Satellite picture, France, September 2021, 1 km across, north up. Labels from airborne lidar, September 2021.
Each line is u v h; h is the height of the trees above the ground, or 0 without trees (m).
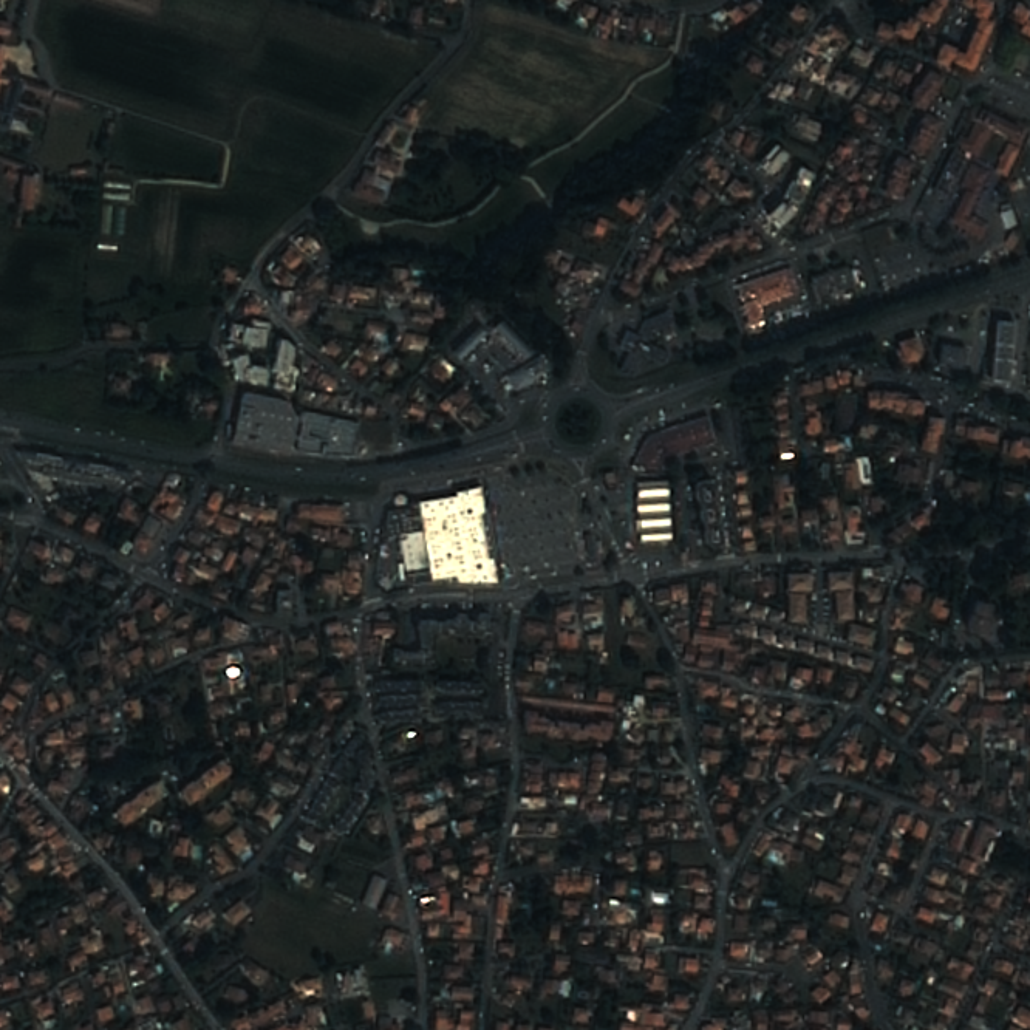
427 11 7
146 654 8
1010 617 18
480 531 0
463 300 15
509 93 0
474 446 0
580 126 0
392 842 6
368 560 0
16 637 9
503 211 0
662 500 0
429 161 14
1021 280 0
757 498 6
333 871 8
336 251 12
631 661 17
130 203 0
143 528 0
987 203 0
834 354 14
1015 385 0
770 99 6
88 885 6
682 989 8
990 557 14
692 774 0
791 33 7
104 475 0
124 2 0
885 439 16
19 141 7
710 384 0
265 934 0
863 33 0
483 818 13
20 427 0
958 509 18
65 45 0
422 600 0
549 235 19
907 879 16
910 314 0
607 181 13
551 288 7
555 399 0
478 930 0
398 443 0
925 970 7
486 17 0
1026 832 0
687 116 16
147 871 12
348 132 0
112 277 0
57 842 0
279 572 8
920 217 0
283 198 0
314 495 0
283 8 0
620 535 0
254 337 0
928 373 8
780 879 10
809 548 10
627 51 0
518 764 0
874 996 0
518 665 6
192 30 0
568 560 0
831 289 0
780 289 0
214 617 11
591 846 19
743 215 6
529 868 7
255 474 0
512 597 0
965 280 16
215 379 20
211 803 7
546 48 0
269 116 0
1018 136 0
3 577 12
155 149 0
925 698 5
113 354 6
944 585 8
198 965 20
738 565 0
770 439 6
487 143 12
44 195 0
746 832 7
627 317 0
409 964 0
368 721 0
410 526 0
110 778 11
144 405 18
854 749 0
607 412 0
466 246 0
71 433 0
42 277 0
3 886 12
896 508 7
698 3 0
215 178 5
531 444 0
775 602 7
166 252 0
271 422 0
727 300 0
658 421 0
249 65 0
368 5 7
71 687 6
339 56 0
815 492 14
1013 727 0
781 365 11
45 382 0
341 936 0
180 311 8
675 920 5
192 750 14
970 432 0
